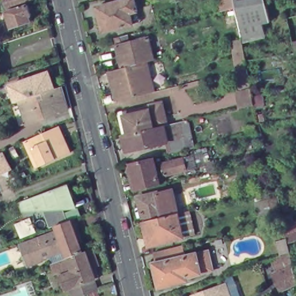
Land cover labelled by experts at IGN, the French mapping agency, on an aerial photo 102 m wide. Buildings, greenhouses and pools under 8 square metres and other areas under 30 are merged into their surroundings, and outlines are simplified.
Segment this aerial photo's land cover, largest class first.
<instances>
[{"label":"building","instance_id":"1","mask_svg":"<svg viewBox=\"0 0 296 296\"><path fill-rule=\"evenodd\" d=\"M25 1L29 0H0V20L5 21L8 30L28 25L31 21ZM136 13L134 0H113L102 1L95 9L92 29L97 36L104 37L116 32L121 20L132 23L131 15ZM220 12L228 14L225 21L237 34L232 45L231 51L235 71L237 89L232 92L236 96V103L232 105L234 108L244 109L252 105L256 110L264 108L265 97L251 94L250 88L247 87V76L250 71L242 65L243 44L264 38L262 25L268 23V18L264 0H222ZM50 29L40 28L14 36L12 39H5L3 45ZM140 34L139 28L117 34L112 45L118 49L117 59H112V66L104 65L102 60L96 66V75H108L109 81L105 83V87L111 90L108 97L104 98V103L121 102L119 106L126 108L125 112L117 113L119 140L124 153L157 146H163L165 151L168 154H176L178 150L185 147L193 148L194 145L188 123L187 117H173L170 97L155 98L153 101L141 103L136 97L155 91L153 88L157 83L149 74L148 62H157V60L153 57L148 38L128 40V36ZM6 89L15 116L22 119V127L37 121L44 126H45L44 119L51 116L60 117L62 112L69 109L64 91L57 88L53 87L49 72L23 79L10 81L5 74L0 75V89ZM23 148L29 157L32 170L58 162L61 158L71 155L64 135L59 127L44 132L25 141ZM10 169L3 154H0V177L8 178ZM195 173V170L186 169L182 158L179 157L177 160L165 162L163 157L149 158L140 163H128L125 171H121V175L128 180L129 191H142L158 187L166 177L176 179L179 175H190ZM21 212L22 221L15 224L17 234L18 237L24 238L34 235L36 229L45 227L53 231L28 242L22 240L21 244L5 252L12 264L10 266L30 268L43 265L50 260V269L53 275L58 276L62 288L61 296H101L97 289L102 286V274L101 259L92 252L87 257L86 252L81 251L75 232L71 219L80 214L79 210L74 208L72 197L66 186L24 200L20 202ZM132 205L136 219L143 220L148 217L149 220L141 222V239L145 243L143 247L150 249L176 243L186 242L185 236L198 234L201 230L202 221L198 214L186 212L184 216L178 217L175 195L171 188L142 194L134 195ZM286 240H279L276 242V251L279 254L274 259L272 264L264 265L261 269L264 282L256 288V296H296V230L284 232ZM215 249L214 245L206 243L188 250H183V246H177L151 253L153 258L149 268L154 283L147 290L149 296H163L172 288L183 286L184 274H187L188 279H192L213 268L209 252ZM227 286L223 283L213 288L195 291L191 296H228Z\"/></svg>","mask_w":296,"mask_h":296},{"label":"impervious surface","instance_id":"2","mask_svg":"<svg viewBox=\"0 0 296 296\"><path fill-rule=\"evenodd\" d=\"M102 1L113 0H46L51 29L52 37L44 40L39 38L37 43L27 46L18 45L17 50L10 54L12 63L0 66V75L5 74L14 71V65L50 54L53 47L59 59H65L66 64L58 69L57 88L64 91L69 109L62 112L60 117L51 116L44 119L45 126L73 118V123L68 124L67 129L69 133L77 132L79 136L82 163L86 172L89 179L83 182V187L91 188V193H76L72 197L74 208L79 210L80 214H86L89 207H94L96 224L101 227L105 254L111 268L109 276L102 274V286L97 289L101 296H149L147 290L154 283L149 268L153 258L151 253L177 246L176 243L150 249L143 247L145 243L141 239V222L149 220L148 217L143 220L136 219L132 205L134 195L142 194V191H129L128 180L121 175V171H125L128 163H140L149 158L163 157L165 151L163 146H157L124 153L119 140L117 113L125 112L126 108L119 106L121 102L104 103V98L108 97L111 90L105 87V83L109 81L108 75H96V66L102 60L101 54L89 53L86 44L88 37L92 42H97V36L92 29L95 9ZM136 13L131 15L132 23L121 20L116 32L117 34L150 25L151 21L155 20L153 5L156 0H134ZM148 38L153 57L157 60L162 58L165 40L153 34H140L128 36V40ZM149 74L157 83L153 88L155 91L136 97L141 103L153 101L155 98L170 97L173 117H187L193 113L210 112L232 105L236 103V96L232 92L221 98L220 101L194 104L186 91L198 87V82L166 86L162 76L163 65L157 62H148ZM179 157L182 158L186 169L195 170V173L190 175V178L208 175L214 170V163L208 160L206 148L195 150L194 155L190 157ZM208 185L214 187V194L205 198L195 195V191ZM221 198L217 182L187 187L183 193L175 195L178 217L184 216L186 212V203ZM251 239L259 244L258 252H243L236 256L234 246ZM264 253V242L257 236H252L231 242L229 259L232 265L240 264L245 259L257 258ZM223 283L227 286L228 296H245L237 276L229 277Z\"/></svg>","mask_w":296,"mask_h":296},{"label":"deciduous trees","instance_id":"3","mask_svg":"<svg viewBox=\"0 0 296 296\"><path fill-rule=\"evenodd\" d=\"M39 1V8L42 10V13L35 17L40 28L50 29H51L46 0H32ZM277 15L283 18L290 16L291 21H296V0H275ZM273 18H268V23L262 25L264 38L243 44L242 65L250 71L247 76V87L250 88L251 94L265 97L264 108L256 110L257 121H250L249 125L240 127L242 132L219 135L216 140L197 138L194 145L193 148L185 147L178 150L176 154H168L165 151L163 157L165 162L177 160L179 157H190L194 155L195 150L206 148L208 160L214 163V170L208 175L219 176L225 172L229 176L237 177L228 187V197L186 203V212L198 214L199 209L207 210L249 202L267 195L271 199L277 197L280 201L268 210L267 215H258L257 221L250 219L246 210L242 216H235L237 228L230 230L228 234L222 235L220 230L216 235H205L201 230L198 234L185 236L186 242L176 243L177 246H183V250H188L206 243L214 245L215 240H222V243L231 242L252 236L259 224L266 235L279 240H286L284 232L296 230V42L290 35L289 28L273 27ZM268 55H279L287 60V66L283 68L288 77L284 76L282 79L267 81L264 74H261L265 70ZM212 43H217L220 50L231 51L232 45L224 32L215 31L212 38ZM117 34L116 32L104 37L97 36V42H92L88 37L86 44L89 53L101 54L102 60L104 65L112 66V59H117L118 49L112 45ZM207 75L206 86L215 89L217 97L221 98L232 92L237 89L235 71L229 76L219 77L216 64L212 62L203 71ZM15 116L6 89H0V140L7 138L2 129L10 118ZM29 170L20 163L15 165L13 170L10 169L8 178L0 177V216L3 215V209L10 214L21 212L20 202L24 200L22 195L16 198L14 191L37 182L35 173L28 179L25 178V173ZM89 179L86 172L69 179L66 186L72 197L76 193H91V188L83 187V182ZM86 234L94 238L92 252L101 259L102 274L109 276L111 268L105 254L101 227L96 224H89L86 228ZM50 260L43 265L30 268L10 266H0V296H10V290H16L22 283L29 290L27 296H61L62 288L58 276L53 275L50 269Z\"/></svg>","mask_w":296,"mask_h":296},{"label":"herbaceous vegetation","instance_id":"4","mask_svg":"<svg viewBox=\"0 0 296 296\"><path fill-rule=\"evenodd\" d=\"M31 21L28 25L8 30L5 21L0 20V66L12 63L10 54L17 50L18 45L27 46L37 43L39 38L44 40L52 37L51 29H50L3 45L5 39H12L14 36L40 28L35 17L42 13V10L39 8V1L32 0H29L25 1ZM222 0H156L153 5L155 20L151 21L150 25L139 28L140 34H153L165 40L162 58L157 60V62L163 65L162 76L166 86L198 82V87L186 91L194 104L220 101L221 98L217 97L215 89L206 86L207 75L203 71L212 62L216 64L219 77L229 76L235 71L231 51L220 50L217 43H212V38L215 31L224 32L232 45L237 34L225 21L228 14L220 12ZM268 18H273V27L289 28L290 35L296 42V21H291L290 16L283 18L277 15L275 0H264ZM287 66V60L279 55H268L265 70L281 68L282 79L284 76L288 77L283 68ZM66 64L65 59H59L49 67L37 68L35 71L22 74L23 79L49 72L53 87L57 88L58 69ZM250 121H257L256 110L252 105L244 109L234 108L221 114V117L210 119V123L202 118L199 119V125H194L193 121L188 123L194 145L197 138L216 140L219 135L242 132L240 127L249 125ZM22 119L15 116L10 118L2 129L7 138L20 132L22 127ZM73 123V118L45 126H44V132L59 127L64 135L71 155L61 158L58 162L32 170L29 157L23 148L25 141L21 138L12 145H7L3 149V154L10 169L13 170L15 165L20 163L29 170L25 173V178L28 179L35 173L37 182L39 179L73 169L82 163L79 136L77 132L69 133L67 129L68 124ZM237 177L229 176L225 172L219 176L208 175L190 178V175H179L176 179L166 177L158 187L142 191V194L171 188L175 195L183 193L187 187L217 182L221 198L228 197V187ZM280 201L277 197L271 199L267 195L249 202L207 210L199 209L198 214L202 221L201 230L205 235H216L220 230L222 235L228 234L230 230L237 228L235 216H242L246 210L250 219L257 221L258 215H267L268 210ZM21 212L10 214L3 209V215L0 216V239L6 238L7 242H10L17 234L15 224L22 221ZM252 236H257L264 242V253L257 258L274 259L279 254L276 251V242L279 240L266 235L259 224ZM81 251L86 252L87 257L92 252L94 238L86 234V228L75 232ZM245 296H256V288L264 282L261 269L259 272L253 268L247 269L237 276Z\"/></svg>","mask_w":296,"mask_h":296},{"label":"pervious surface","instance_id":"5","mask_svg":"<svg viewBox=\"0 0 296 296\"><path fill-rule=\"evenodd\" d=\"M44 126L37 121L22 127L20 132L7 138L0 140V154H3V149L7 145H12L21 138L25 141L44 132ZM86 172L82 163L73 169L39 179L37 182L14 191L16 198L22 195L24 200L66 186L69 179ZM94 207H89L86 214H80L71 219L75 232L86 228L89 224H96ZM231 242L222 243V240H215L214 245L215 249L209 252L213 268L192 279H188L187 274H184L183 286L201 281L209 275H220L232 265L229 259Z\"/></svg>","mask_w":296,"mask_h":296},{"label":"brushwood","instance_id":"6","mask_svg":"<svg viewBox=\"0 0 296 296\"><path fill-rule=\"evenodd\" d=\"M59 59L53 47L50 54L14 65V71L5 74L10 81L23 79L22 74L35 71L37 68L49 67ZM234 108L232 105L210 112L193 113L187 117L188 123L193 121L194 125H199V119L202 118L210 123V119L221 117V114ZM53 231L45 227L36 229L34 235L24 238L18 237L17 234L10 242H7L6 238L0 239V253L5 252L21 244L22 240L28 242ZM274 259L257 258L245 259L240 264L232 265L220 275H209L201 281L183 286L172 288L163 296H191L195 291L213 288L223 283L229 277L237 276L247 269L253 268L259 272L261 269L264 265L272 264Z\"/></svg>","mask_w":296,"mask_h":296},{"label":"swimming pool","instance_id":"7","mask_svg":"<svg viewBox=\"0 0 296 296\"><path fill-rule=\"evenodd\" d=\"M261 74H264L267 81L282 79L281 68L265 70ZM214 187L208 185L195 191V195L205 198L214 194ZM259 244L251 239L234 246L236 256L243 252H258ZM10 266L12 264L5 252L0 253V266ZM10 296H27L29 290L22 283L16 290H10Z\"/></svg>","mask_w":296,"mask_h":296}]
</instances>
